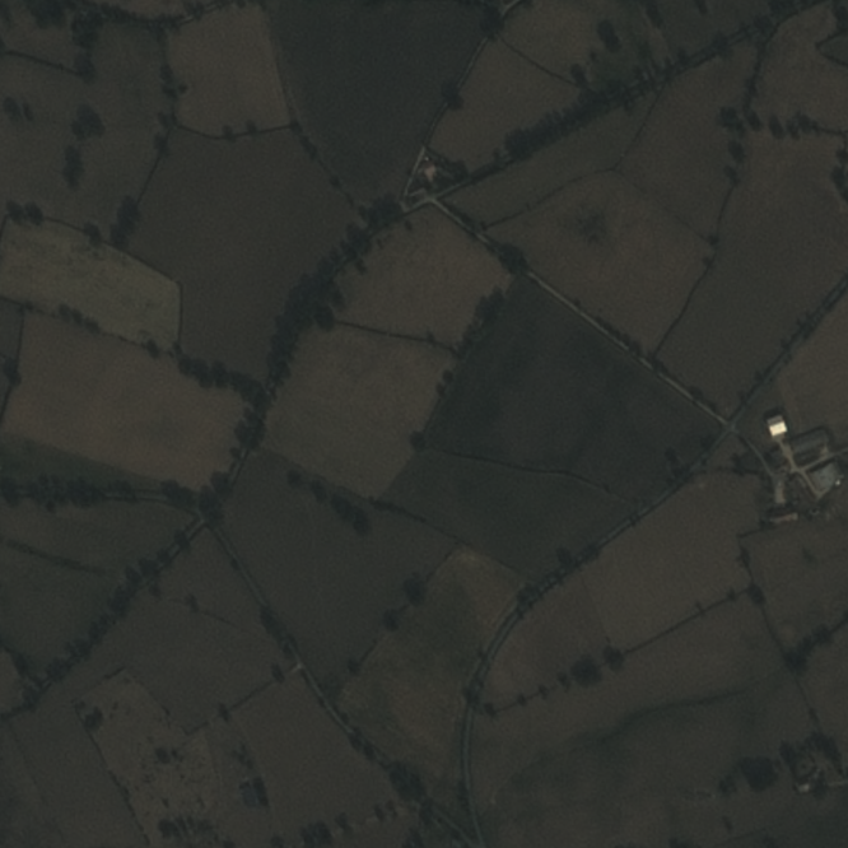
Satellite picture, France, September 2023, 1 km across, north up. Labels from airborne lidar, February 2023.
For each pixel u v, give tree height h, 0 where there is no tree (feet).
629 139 0
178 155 0
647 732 0
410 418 0
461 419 0
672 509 0
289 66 0
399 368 0
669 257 0
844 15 64
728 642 0
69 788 0
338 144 0
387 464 0
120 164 0
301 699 0
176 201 0
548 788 0
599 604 0
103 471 0
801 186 0
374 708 0
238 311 0
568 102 0
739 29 0
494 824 0
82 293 0
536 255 0
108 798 0
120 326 0
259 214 0
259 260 0
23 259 0
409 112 0
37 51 0
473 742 0
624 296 0
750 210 0
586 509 0
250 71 0
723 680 0
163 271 0
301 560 0
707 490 0
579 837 0
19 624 0
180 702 0
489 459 0
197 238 0
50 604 0
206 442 0
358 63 0
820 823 0
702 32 0
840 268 0
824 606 0
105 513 0
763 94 0
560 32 0
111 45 0
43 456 0
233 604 0
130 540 0
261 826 0
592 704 0
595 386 0
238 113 0
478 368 0
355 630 0
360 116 0
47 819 0
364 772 0
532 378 0
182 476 0
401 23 0
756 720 0
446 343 0
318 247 0
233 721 0
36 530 0
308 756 0
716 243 39
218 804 0
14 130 0
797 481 0
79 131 40
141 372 0
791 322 0
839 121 0
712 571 0
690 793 0
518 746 0
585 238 0
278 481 0
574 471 0
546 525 0
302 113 0
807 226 0
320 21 0
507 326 0
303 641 0
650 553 0
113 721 0
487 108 0
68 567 0
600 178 0
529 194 0
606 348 0
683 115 0
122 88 0
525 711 0
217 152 0
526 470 0
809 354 0
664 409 0
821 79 0
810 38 0
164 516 0
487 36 57
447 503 0
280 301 0
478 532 0
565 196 0
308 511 0
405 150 0
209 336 0
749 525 0
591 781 0
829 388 0
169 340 0
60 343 0
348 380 0
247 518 0
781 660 0
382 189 0
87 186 0
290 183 0
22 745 0
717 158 0
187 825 39
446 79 0
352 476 0
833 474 0
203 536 0
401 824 0
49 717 0
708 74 0
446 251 0
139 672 0
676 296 0
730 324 0
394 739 0
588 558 32
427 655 0
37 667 0
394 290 0
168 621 0
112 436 0
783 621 0
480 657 36
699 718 0
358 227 0
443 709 0
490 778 0
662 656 0
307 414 0
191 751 0
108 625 28
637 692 0
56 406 0
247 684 0
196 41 0
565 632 0
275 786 0
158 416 0
